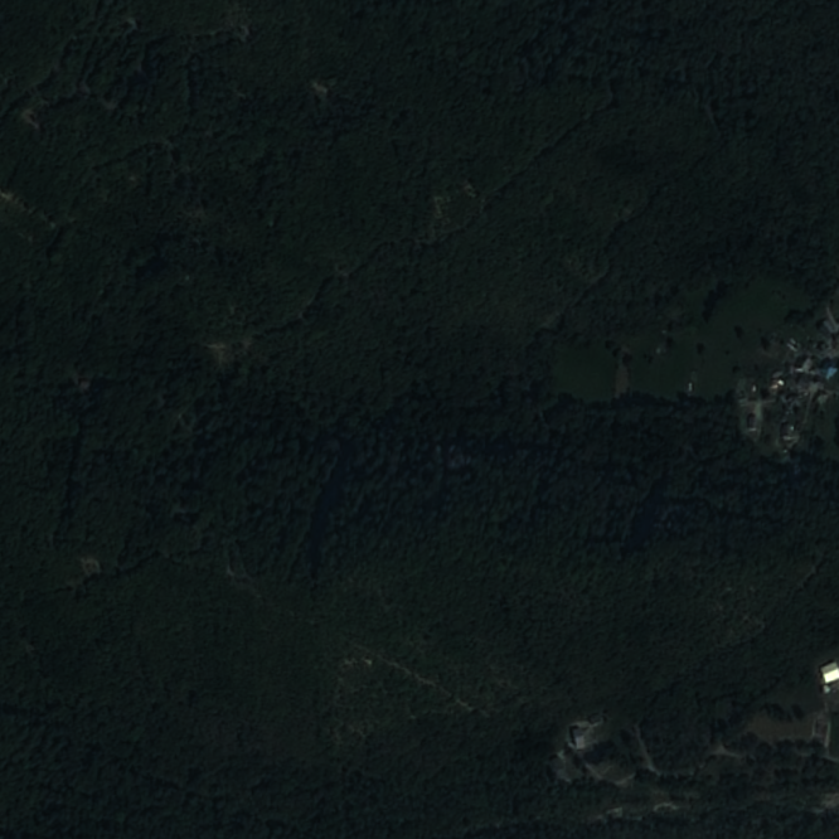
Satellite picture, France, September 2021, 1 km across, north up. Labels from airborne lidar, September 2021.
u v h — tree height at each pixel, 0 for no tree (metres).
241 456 29
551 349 29
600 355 0
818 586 12
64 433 27
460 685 9
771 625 12
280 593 11
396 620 15
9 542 24
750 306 0
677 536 24
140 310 15
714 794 8
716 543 19
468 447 38
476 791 16
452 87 24
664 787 15
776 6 16
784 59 19
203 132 18
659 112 19
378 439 36
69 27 13
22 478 22
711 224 18
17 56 17
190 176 6
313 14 15
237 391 30
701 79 21
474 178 26
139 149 8
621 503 27
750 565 12
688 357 0
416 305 22
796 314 10
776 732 0
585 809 16
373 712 13
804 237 19
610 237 7
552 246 20
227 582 12
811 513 19
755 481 28
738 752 18
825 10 20
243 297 19
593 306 20
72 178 22
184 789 9
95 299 27
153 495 29
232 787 22
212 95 24
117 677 27
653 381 0
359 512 8
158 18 16
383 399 33
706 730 7
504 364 28
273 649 12
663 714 26
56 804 35
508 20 31
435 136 20
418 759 21
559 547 22
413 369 25
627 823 10
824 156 26
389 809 18
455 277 20
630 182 18
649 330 17
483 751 23
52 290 24
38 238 8
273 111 29
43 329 30
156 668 21
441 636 22
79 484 23
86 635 25
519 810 21
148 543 28
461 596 22
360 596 17
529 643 28
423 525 21
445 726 18
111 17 21
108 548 19
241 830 29
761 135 24
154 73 18
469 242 20
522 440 27
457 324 21
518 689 15
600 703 17
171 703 28
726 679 23
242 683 17
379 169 26
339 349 17
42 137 20
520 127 21
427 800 15
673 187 21
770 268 16
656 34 21
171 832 33
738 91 23
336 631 15
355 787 26
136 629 24
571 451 28
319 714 16
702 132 13
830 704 0
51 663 25
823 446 16
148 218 10
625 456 24
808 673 22
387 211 30
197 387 34
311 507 19
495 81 25
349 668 11
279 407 26
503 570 21
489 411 19
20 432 28
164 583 20
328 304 26
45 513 25
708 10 19
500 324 14
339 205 26
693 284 23
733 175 21
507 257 21
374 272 21
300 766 24
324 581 14
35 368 32
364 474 31
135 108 21
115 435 25
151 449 22
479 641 18
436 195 14
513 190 22
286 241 32
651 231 16
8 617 29
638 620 24
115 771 26
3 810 24
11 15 22
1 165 23
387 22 11
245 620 15
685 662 15
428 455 10
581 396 0
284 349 25
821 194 27
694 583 17
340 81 24
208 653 22
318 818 12
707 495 19
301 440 9
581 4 25
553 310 24
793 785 12
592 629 23
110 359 30
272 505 27
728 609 14
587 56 23
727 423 15
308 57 14
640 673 20
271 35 14
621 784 0
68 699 24
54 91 22
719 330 0
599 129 26
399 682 12
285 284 15
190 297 23
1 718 24
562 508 18
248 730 21
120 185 7
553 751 12
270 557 19
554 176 26
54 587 18
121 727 30
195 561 13
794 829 7
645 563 19
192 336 20
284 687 16
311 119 19
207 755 20
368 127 24
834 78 14
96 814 34
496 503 17
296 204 27
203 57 20
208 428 29
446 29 13
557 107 22
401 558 12
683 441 25
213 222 6
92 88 19
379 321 28
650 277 26
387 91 29
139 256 30
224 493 29
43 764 32
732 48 21
